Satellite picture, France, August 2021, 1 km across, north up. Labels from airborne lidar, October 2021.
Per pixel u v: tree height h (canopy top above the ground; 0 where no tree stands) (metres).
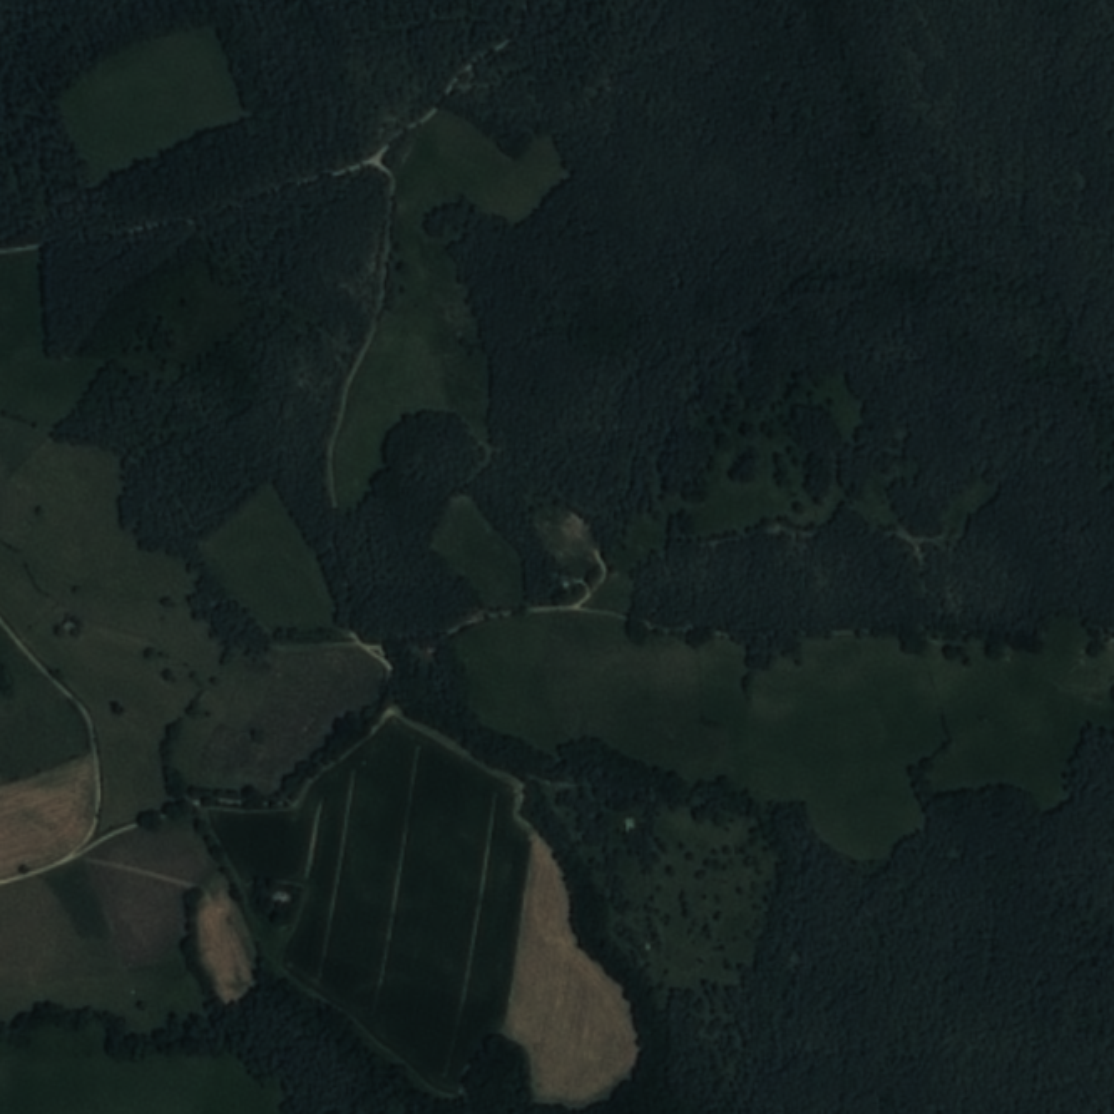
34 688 0
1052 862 15
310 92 13
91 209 13
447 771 0
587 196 13
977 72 7
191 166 16
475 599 10
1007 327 7
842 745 0
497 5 15
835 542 10
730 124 12
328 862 0
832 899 9
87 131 0
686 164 7
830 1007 10
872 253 9
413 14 8
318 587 0
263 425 9
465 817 0
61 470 0
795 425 10
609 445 6
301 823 0
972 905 11
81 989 0
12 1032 19
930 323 16
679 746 0
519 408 14
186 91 0
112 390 8
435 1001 0
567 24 14
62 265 18
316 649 0
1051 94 8
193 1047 19
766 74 17
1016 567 7
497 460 6
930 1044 7
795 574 6
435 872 0
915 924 9
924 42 8
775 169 11
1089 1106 12
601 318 12
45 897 0
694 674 0
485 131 9
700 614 10
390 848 0
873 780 0
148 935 0
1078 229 6
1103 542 10
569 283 14
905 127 11
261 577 0
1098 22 7
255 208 12
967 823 17
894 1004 9
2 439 0
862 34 13
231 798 11
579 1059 0
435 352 0
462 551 0
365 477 0
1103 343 9
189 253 10
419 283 0
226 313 0
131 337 11
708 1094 11
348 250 9
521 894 0
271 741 0
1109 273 6
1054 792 0
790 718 0
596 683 0
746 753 0
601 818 11
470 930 0
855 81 16
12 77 20
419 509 14
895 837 0
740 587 6
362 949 0
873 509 0
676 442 16
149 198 12
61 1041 0
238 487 11
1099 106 9
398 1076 17
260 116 12
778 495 0
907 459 11
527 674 0
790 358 14
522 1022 0
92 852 0
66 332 21
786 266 16
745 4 16
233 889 9
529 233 13
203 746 0
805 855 9
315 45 8
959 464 9
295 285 15
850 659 0
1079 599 8
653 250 16
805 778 0
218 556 0
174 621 0
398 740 0
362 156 8
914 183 13
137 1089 0
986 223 12
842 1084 11
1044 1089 9
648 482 9
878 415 9
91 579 0
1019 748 0
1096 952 20
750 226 12
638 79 9
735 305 15
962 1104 9
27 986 0
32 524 0
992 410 11
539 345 14
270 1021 17
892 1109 11
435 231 11
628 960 9
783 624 8
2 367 0
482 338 9
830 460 13
